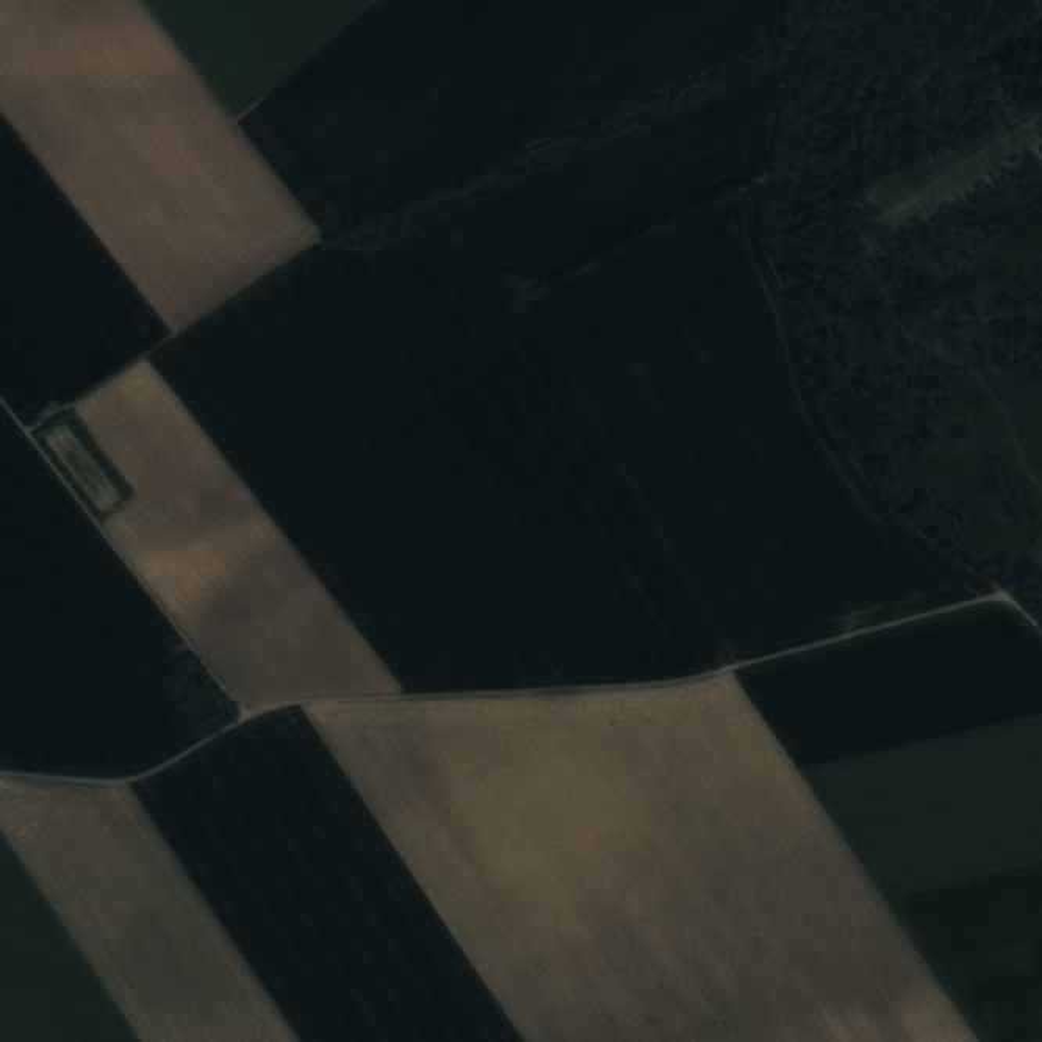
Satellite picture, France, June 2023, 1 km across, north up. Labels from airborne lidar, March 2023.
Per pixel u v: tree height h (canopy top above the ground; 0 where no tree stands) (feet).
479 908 0
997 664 0
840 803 0
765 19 0
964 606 0
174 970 0
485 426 0
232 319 0
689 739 0
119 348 0
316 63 0
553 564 0
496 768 0
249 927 0
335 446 0
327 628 0
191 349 0
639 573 0
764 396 0
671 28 0
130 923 0
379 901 0
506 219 0
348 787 0
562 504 0
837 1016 0
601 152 0
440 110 0
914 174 0
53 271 0
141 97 0
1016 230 0
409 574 0
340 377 0
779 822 0
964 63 77
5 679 0
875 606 0
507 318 0
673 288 0
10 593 0
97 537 0
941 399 66
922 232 93
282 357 0
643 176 0
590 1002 0
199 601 0
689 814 0
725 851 0
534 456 0
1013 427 0
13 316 0
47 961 0
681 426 0
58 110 0
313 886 0
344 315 0
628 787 0
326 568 0
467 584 0
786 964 0
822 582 0
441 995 0
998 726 0
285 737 0
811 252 66
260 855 0
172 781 0
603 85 0
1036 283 0
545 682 0
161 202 0
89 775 0
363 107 0
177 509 0
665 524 0
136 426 0
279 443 0
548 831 0
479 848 0
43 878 0
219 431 0
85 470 0
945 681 0
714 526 0
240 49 0
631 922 0
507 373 0
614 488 0
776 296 0
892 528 0
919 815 0
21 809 0
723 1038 0
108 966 0
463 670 0
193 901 0
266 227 0
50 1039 0
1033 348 82
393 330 0
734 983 0
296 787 0
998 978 0
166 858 0
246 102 0
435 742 0
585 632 0
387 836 0
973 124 87
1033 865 0
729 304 0
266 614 0
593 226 0
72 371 0
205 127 0
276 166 0
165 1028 0
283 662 0
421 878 0
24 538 0
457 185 32
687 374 0
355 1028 0
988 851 0
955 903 0
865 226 78
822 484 0
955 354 0
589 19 0
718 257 0
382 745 0
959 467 0
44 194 0
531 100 0
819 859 0
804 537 0
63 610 0
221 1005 0
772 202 53
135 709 0
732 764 0
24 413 0
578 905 0
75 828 0
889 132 65
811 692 0
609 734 0
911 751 0
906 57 69
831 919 0
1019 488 0
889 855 0
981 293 0
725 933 0
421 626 0
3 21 0
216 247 0
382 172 0
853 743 0
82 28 0
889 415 67
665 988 0
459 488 0
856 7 73
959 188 0
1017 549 0
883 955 0
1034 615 32
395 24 0
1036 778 0
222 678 0
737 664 0
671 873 0
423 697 0
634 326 0
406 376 0
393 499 0
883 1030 0
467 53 0
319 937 0
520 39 0
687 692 0
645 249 0
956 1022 0
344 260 0
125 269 0
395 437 0
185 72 0
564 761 0
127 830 0
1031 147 0
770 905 0
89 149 0
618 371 0
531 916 0
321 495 0
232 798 0
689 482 0
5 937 0
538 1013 0
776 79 0
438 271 0
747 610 0
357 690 0
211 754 0
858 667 0
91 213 0
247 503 0
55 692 0
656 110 27
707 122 0
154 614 0
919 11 69
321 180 0
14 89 0
